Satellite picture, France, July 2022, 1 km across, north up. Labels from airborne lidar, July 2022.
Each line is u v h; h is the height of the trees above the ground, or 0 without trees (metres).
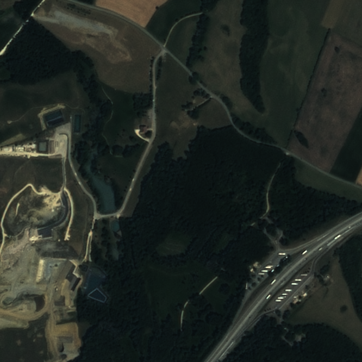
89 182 7
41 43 19
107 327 24
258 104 19
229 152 16
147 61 0
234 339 0
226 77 0
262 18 10
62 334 0
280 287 0
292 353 23
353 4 0
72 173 0
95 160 11
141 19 0
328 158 0
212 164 11
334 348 20
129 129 0
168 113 0
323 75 0
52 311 0
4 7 0
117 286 20
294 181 17
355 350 17
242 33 0
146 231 21
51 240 0
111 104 14
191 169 13
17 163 0
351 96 0
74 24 0
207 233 15
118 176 0
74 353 0
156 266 0
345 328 0
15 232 0
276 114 0
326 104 0
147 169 0
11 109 0
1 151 0
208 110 0
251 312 0
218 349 0
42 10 0
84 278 0
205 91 6
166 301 0
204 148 11
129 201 0
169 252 0
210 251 19
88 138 21
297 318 0
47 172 0
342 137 0
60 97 0
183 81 0
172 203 26
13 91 0
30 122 0
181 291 0
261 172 16
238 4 0
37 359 0
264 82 0
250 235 22
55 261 0
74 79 0
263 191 23
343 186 0
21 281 0
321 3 0
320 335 21
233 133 17
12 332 0
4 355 0
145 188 24
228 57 0
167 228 28
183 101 0
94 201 0
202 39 17
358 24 0
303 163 0
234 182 23
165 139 0
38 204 0
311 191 17
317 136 0
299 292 0
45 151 0
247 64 16
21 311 0
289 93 0
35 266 0
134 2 0
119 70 0
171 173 25
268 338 28
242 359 29
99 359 19
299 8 0
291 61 0
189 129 0
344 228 0
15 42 16
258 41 7
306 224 6
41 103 0
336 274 0
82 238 0
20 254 0
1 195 0
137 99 17
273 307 0
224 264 24
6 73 0
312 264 0
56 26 0
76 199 0
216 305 0
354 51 0
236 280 11
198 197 14
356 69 0
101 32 0
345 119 0
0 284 0
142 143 0
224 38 0
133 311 27
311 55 0
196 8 0
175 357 25
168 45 0
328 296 0
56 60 19
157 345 18
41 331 0
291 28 0
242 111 0
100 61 0
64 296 0
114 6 0
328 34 7
